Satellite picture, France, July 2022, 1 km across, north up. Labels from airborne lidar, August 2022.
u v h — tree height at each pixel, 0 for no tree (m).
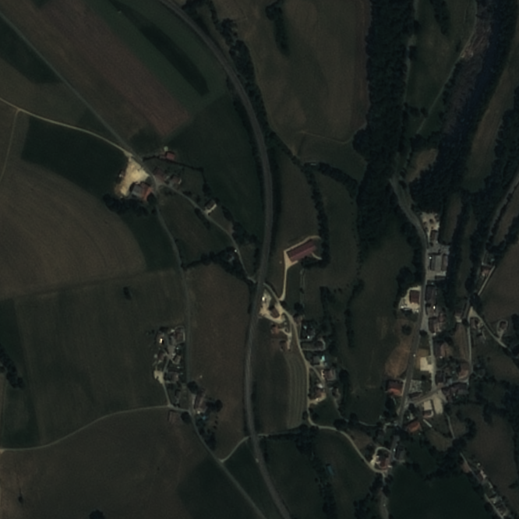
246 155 0
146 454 0
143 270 0
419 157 0
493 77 26
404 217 19
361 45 0
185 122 0
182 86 0
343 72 0
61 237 0
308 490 0
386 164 26
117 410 0
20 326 0
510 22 23
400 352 0
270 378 0
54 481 0
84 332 0
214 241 0
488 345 0
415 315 0
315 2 0
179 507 0
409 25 29
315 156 0
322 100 0
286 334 0
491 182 11
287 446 0
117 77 0
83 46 0
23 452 0
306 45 0
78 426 0
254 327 0
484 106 16
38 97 0
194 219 0
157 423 0
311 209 0
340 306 0
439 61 0
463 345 0
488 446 0
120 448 0
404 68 30
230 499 0
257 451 0
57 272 0
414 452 0
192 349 0
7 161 0
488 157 0
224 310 0
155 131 0
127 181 0
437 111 0
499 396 0
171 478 0
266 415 0
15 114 0
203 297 0
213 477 0
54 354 0
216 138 0
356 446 0
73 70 0
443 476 19
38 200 0
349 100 0
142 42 0
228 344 0
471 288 18
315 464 9
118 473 0
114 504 0
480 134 0
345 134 0
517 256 0
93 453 0
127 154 0
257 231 0
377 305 0
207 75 0
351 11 0
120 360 0
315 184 8
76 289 0
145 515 0
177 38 0
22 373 0
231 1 0
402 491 0
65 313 0
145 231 0
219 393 0
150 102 0
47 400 0
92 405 0
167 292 0
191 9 11
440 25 8
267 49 0
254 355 0
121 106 0
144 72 0
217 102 0
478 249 18
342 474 0
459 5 0
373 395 0
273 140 9
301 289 8
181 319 0
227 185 0
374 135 24
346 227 0
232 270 14
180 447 0
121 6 0
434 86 0
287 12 0
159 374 0
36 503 0
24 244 0
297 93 0
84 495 0
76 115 0
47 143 0
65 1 0
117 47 0
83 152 0
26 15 0
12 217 0
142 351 0
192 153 0
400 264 0
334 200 0
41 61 0
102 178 0
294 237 0
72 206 0
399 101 25
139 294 0
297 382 0
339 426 16
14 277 0
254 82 7
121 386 0
